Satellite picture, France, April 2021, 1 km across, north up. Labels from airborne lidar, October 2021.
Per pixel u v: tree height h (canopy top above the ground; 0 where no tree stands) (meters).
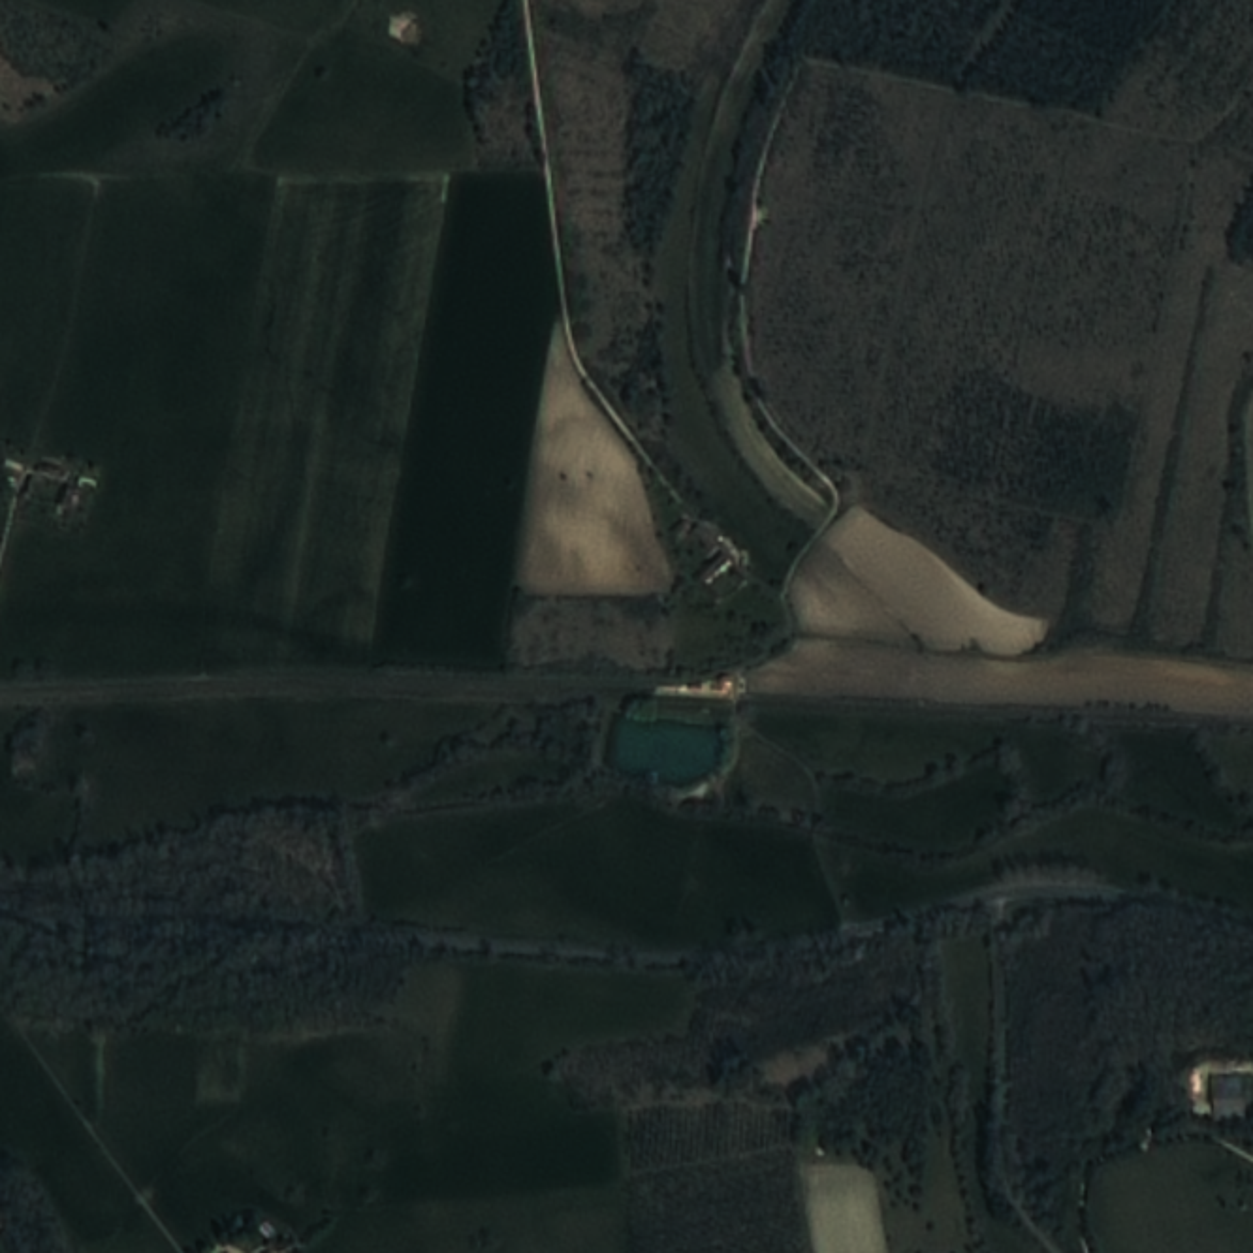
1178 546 0
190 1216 0
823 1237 0
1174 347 0
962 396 6
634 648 0
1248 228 17
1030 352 0
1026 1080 9
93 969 14
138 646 0
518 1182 0
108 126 0
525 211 0
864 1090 14
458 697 0
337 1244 0
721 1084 18
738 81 0
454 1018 0
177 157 0
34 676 9
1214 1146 8
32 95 0
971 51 9
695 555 0
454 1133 0
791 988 10
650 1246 6
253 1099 0
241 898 21
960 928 13
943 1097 9
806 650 0
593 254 0
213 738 0
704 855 0
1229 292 0
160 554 0
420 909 0
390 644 0
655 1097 6
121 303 0
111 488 0
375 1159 14
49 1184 0
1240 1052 22
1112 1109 14
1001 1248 0
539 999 0
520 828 0
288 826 22
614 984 0
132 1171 0
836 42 8
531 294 0
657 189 10
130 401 0
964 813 0
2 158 0
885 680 0
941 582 0
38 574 0
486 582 0
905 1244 0
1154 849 0
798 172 0
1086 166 0
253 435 0
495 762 0
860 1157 10
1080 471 6
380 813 12
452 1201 0
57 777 0
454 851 0
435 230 0
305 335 0
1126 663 0
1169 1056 20
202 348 0
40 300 0
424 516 0
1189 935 21
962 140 0
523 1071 0
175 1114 0
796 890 0
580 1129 0
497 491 0
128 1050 0
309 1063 0
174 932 23
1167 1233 0
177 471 0
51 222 0
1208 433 0
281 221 0
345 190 0
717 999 10
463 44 0
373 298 0
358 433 0
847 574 0
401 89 0
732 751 12
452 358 0
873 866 0
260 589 0
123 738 0
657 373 13
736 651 8
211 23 0
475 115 15
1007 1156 20
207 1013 20
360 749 0
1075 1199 0
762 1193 6
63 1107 0
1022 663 0
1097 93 9
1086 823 0
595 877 0
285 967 23
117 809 0
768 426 9
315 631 0
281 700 0
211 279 0
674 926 0
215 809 0
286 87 0
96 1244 0
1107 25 12
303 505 0
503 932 0
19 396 0
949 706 0
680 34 0
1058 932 6
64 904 25
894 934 15
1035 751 0
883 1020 11
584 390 6
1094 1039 15
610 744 0
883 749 0
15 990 24
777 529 0
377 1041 0
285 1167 0
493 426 0
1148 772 0
